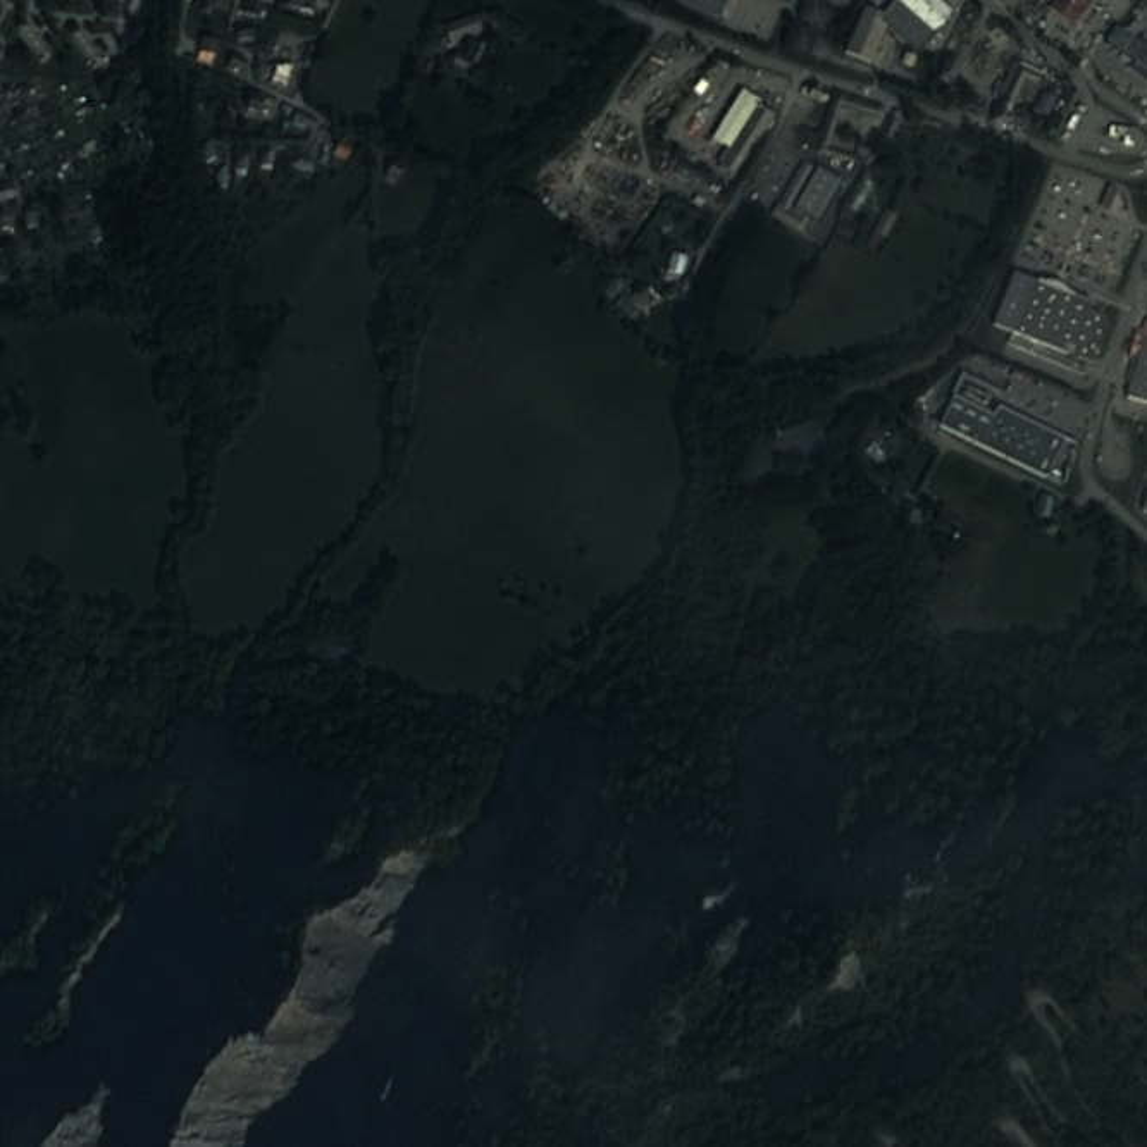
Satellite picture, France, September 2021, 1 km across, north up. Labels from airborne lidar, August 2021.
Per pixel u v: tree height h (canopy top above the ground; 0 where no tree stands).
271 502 0
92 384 0
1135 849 8
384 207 0
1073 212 0
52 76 0
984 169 13
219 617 0
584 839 7
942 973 18
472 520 0
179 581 13
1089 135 0
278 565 0
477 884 14
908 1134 17
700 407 17
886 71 0
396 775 18
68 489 0
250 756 24
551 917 19
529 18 0
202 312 16
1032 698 10
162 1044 0
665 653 20
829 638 11
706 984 10
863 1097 24
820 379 17
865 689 16
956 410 0
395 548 0
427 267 22
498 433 0
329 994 0
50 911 7
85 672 8
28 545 0
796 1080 19
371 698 19
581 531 0
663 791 16
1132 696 16
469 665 0
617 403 0
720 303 12
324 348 0
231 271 16
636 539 0
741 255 12
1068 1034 14
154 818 12
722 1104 12
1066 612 0
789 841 9
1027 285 0
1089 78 0
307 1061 0
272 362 0
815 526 8
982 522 0
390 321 17
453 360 0
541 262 0
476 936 7
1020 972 15
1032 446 0
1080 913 17
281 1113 0
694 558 19
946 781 11
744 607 14
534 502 0
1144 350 0
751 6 0
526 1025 8
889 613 19
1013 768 11
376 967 0
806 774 6
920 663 18
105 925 8
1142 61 0
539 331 0
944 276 0
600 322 0
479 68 11
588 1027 12
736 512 15
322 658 0
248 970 7
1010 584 0
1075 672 16
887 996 13
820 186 0
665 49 0
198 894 16
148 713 17
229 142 10
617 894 12
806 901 13
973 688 22
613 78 6
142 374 0
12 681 18
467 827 10
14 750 23
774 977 12
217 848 10
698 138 0
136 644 12
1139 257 0
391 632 0
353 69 0
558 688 23
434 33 10
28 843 26
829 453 13
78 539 0
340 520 0
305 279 0
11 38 0
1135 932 13
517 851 8
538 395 0
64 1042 13
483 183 16
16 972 10
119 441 0
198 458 15
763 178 0
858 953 7
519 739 18
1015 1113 13
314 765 25
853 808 10
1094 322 0
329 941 0
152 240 16
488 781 12
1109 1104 18
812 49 0
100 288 14
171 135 20
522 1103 9
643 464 0
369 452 0
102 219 15
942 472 0
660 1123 8
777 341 0
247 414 20
